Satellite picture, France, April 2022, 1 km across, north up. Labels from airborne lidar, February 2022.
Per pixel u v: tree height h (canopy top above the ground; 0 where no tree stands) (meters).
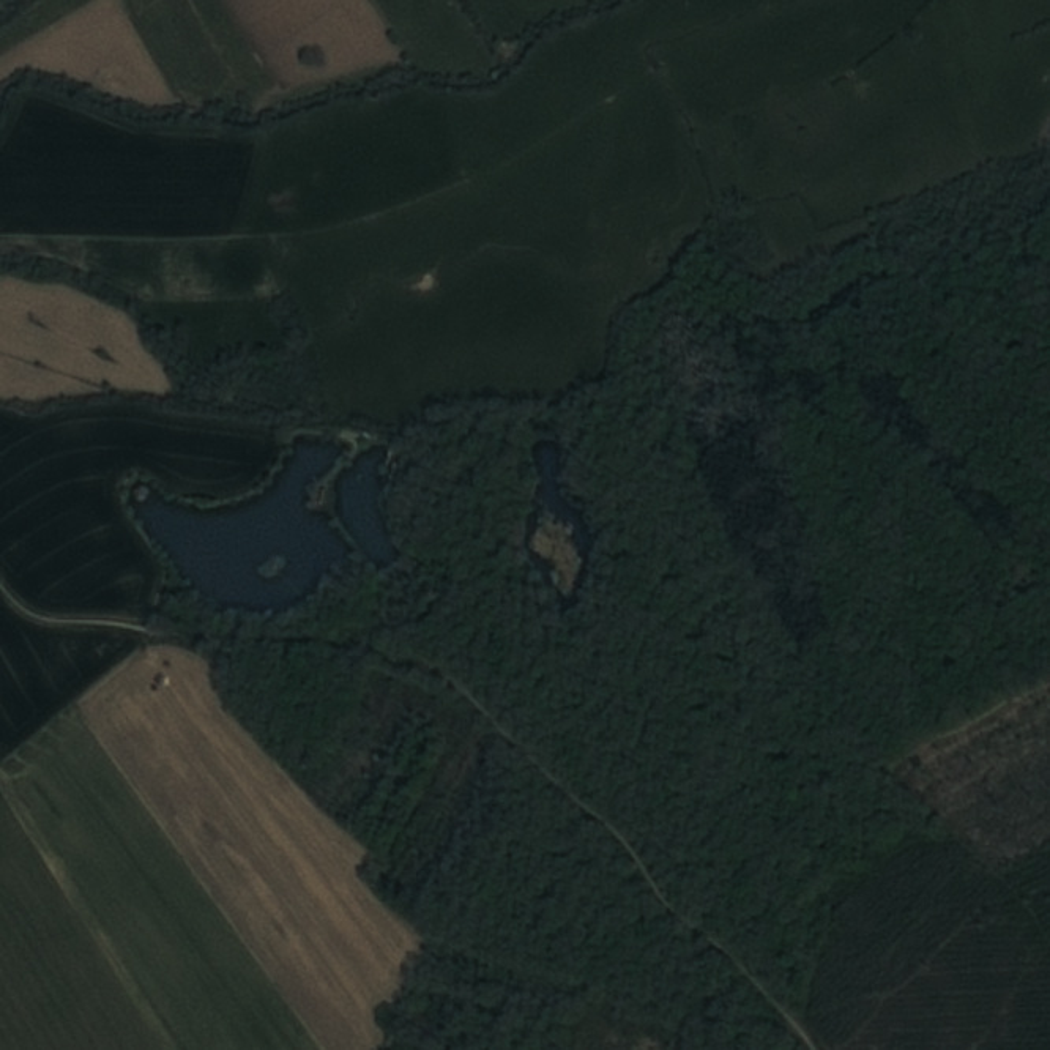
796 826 26
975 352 26
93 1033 0
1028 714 0
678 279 16
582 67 0
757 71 0
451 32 0
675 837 27
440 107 0
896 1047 0
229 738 0
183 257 0
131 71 0
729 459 25
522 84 0
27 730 0
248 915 0
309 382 6
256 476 0
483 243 0
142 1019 0
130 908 0
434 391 0
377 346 0
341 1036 0
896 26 0
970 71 0
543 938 32
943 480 26
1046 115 0
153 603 0
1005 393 27
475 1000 25
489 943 30
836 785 25
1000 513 20
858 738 23
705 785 29
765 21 0
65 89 7
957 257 21
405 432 12
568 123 0
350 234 0
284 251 0
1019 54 0
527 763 28
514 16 0
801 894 22
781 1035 22
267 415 17
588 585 18
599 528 18
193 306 0
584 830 27
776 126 0
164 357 22
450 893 26
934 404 27
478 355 0
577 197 0
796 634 21
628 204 0
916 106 0
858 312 20
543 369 0
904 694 27
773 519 28
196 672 0
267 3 0
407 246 0
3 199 0
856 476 23
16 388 0
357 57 0
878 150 0
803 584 24
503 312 0
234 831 0
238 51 0
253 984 0
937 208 7
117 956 0
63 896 0
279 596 0
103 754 0
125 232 0
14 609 0
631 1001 25
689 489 25
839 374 23
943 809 0
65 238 0
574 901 29
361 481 0
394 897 24
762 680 29
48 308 0
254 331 0
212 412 17
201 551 0
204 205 0
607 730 29
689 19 0
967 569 24
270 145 0
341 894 0
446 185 0
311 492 12
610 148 0
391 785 22
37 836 0
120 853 0
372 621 20
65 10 0
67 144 0
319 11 0
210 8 0
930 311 28
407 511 25
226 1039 0
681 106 0
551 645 21
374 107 0
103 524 0
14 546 0
